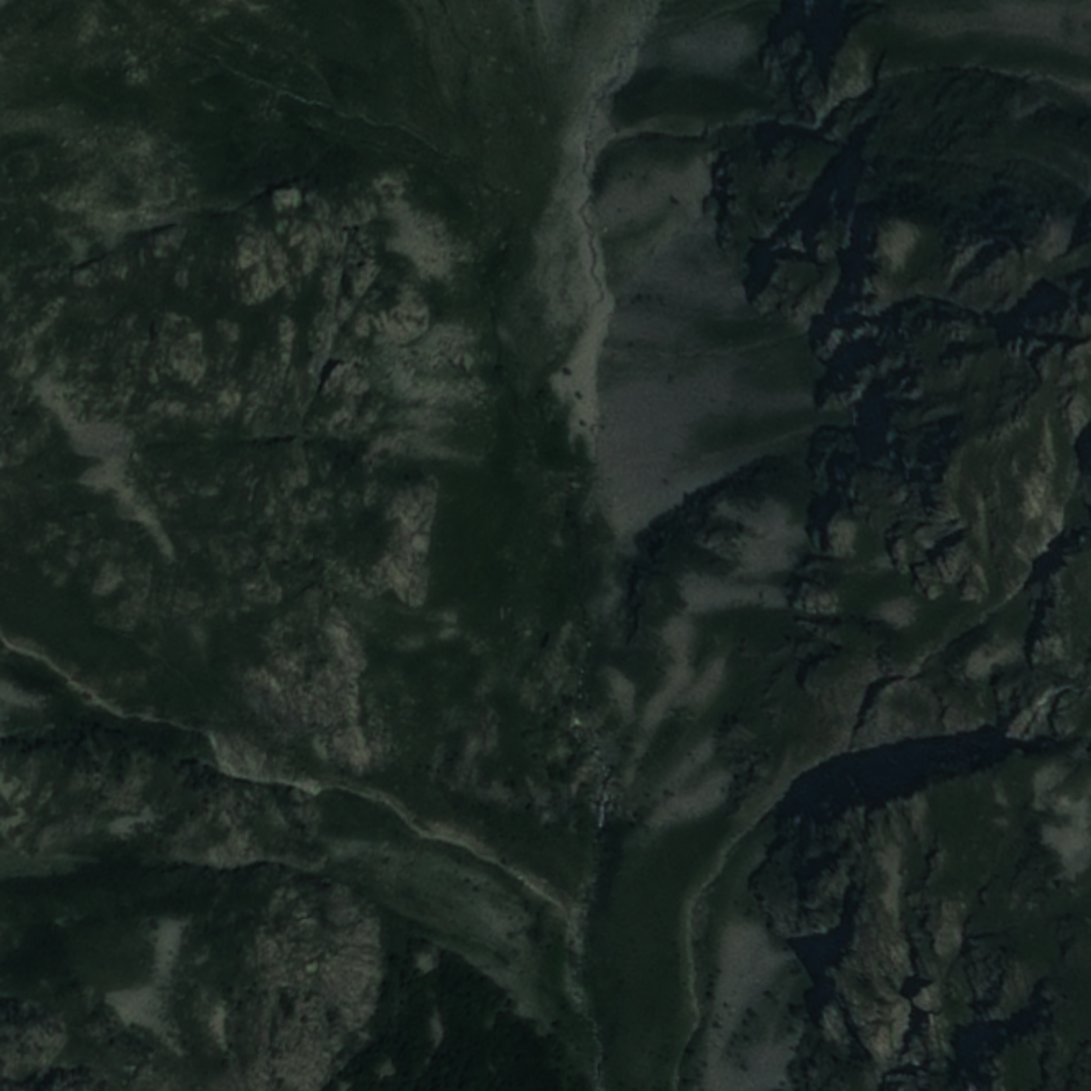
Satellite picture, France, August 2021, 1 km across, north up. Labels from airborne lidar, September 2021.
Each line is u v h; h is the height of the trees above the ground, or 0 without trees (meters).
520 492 0
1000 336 0
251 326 0
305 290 0
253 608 0
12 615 0
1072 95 0
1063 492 0
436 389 0
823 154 0
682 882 0
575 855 0
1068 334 0
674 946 0
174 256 0
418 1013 7
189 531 0
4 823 0
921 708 0
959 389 0
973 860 0
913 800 9
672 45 0
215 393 0
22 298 0
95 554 0
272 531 0
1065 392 0
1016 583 0
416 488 0
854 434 0
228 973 0
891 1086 6
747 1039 8
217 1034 0
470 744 0
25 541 0
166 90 0
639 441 0
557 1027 12
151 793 0
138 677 0
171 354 0
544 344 0
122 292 0
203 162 0
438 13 0
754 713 0
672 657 0
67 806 0
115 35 0
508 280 0
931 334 0
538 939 6
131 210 0
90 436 0
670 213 0
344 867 0
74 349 0
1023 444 0
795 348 0
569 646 0
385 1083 10
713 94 0
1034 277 0
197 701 0
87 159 0
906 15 0
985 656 0
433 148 0
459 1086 8
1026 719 0
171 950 0
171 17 0
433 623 0
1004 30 0
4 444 0
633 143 0
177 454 0
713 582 0
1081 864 0
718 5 0
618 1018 0
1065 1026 0
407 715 0
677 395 0
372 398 7
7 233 0
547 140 0
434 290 0
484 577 0
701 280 0
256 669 0
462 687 0
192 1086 0
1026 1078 0
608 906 0
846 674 0
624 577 0
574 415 0
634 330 0
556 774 9
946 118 0
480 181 0
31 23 0
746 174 0
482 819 0
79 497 0
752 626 0
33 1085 6
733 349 0
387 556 0
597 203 0
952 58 0
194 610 0
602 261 0
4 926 0
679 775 0
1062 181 0
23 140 0
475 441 0
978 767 11
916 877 0
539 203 0
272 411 0
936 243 0
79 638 0
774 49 0
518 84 0
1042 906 0
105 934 0
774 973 0
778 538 0
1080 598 0
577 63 0
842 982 10
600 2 0
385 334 0
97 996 0
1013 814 0
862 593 0
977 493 0
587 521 0
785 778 0
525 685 0
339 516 0
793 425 0
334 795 0
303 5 0
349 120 0
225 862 0
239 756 0
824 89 0
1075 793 0
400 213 0
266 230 0
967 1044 0
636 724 0
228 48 0
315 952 0
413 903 0
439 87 0
